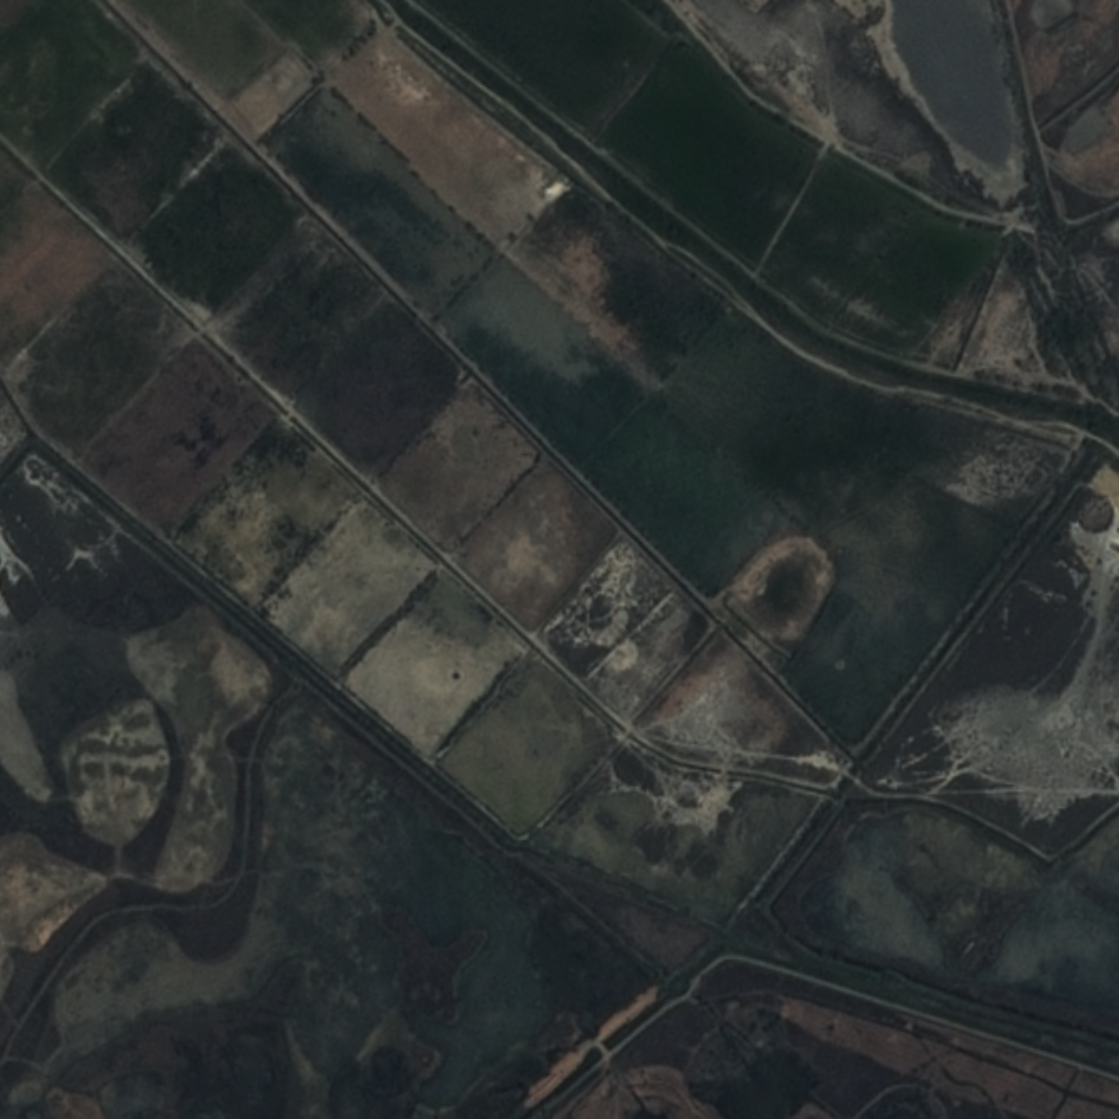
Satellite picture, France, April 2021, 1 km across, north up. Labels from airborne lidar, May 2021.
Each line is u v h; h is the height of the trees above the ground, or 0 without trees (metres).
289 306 0
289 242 0
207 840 0
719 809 0
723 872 0
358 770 0
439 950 0
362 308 0
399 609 0
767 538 0
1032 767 0
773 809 0
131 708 0
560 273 0
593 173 0
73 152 0
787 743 0
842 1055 0
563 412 0
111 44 0
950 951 0
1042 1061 0
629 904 0
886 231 0
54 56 0
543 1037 0
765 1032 0
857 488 0
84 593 0
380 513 0
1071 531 0
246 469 0
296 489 0
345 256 0
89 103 0
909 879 0
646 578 0
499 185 0
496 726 0
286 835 0
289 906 0
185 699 0
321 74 7
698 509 0
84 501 0
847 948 0
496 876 0
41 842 0
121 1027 0
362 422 0
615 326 0
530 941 0
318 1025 0
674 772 0
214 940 0
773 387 0
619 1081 0
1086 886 0
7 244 0
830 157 0
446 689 0
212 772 0
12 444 0
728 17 0
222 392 0
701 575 0
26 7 0
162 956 0
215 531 0
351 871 0
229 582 0
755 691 0
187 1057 0
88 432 0
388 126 0
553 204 0
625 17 0
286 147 0
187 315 0
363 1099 0
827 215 0
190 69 0
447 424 0
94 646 0
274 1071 0
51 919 0
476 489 0
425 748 0
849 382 0
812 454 0
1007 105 0
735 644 0
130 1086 0
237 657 0
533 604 0
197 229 0
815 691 0
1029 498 0
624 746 0
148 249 0
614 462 0
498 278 0
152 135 0
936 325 0
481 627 0
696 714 0
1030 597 0
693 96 0
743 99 0
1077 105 0
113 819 0
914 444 0
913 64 0
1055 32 0
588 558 0
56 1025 0
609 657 0
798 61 0
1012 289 0
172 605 0
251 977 0
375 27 6
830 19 0
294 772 0
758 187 0
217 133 0
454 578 0
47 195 0
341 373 0
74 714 0
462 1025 0
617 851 0
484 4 0
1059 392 8
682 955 0
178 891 0
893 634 0
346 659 0
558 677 0
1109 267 0
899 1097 0
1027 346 0
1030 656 0
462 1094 0
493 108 0
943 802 0
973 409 0
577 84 0
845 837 0
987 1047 0
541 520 0
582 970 0
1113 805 0
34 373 0
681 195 0
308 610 0
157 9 0
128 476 0
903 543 0
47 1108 0
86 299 0
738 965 0
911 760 0
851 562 0
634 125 0
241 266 0
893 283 0
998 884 0
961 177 0
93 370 0
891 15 0
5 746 0
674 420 0
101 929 0
